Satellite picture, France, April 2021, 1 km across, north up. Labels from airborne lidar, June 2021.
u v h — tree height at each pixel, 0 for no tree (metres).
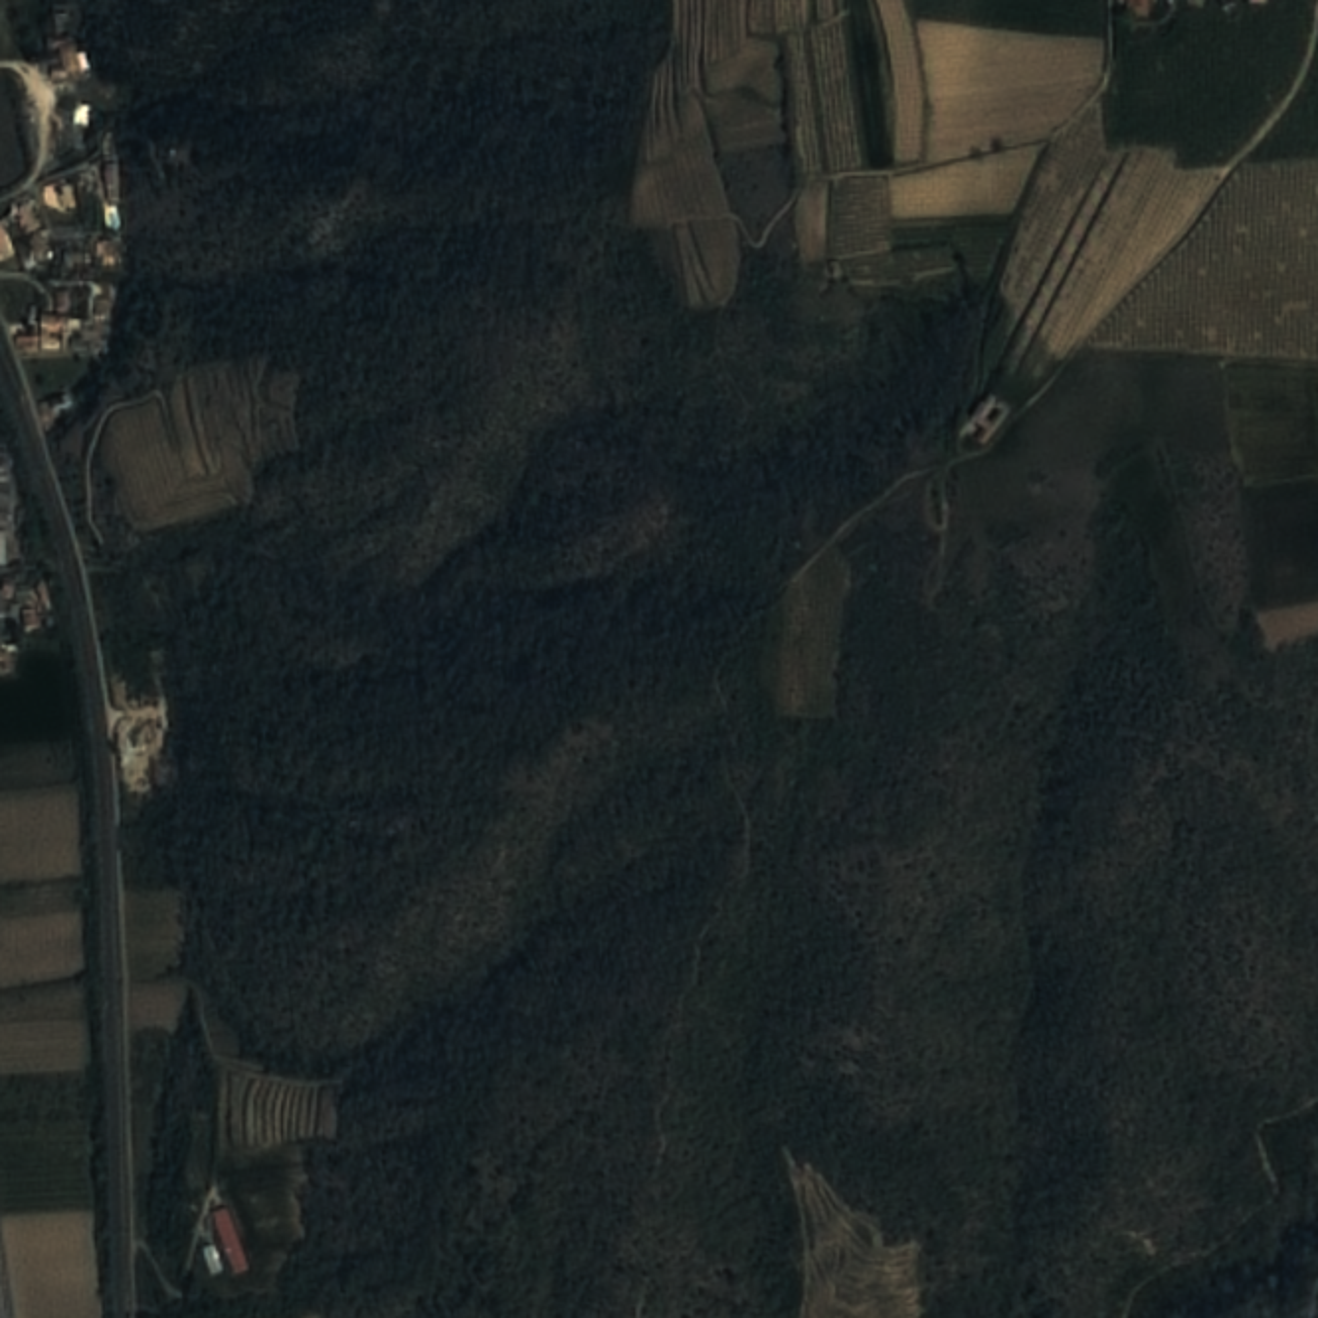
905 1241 7
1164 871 6
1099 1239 7
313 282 15
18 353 0
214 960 9
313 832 8
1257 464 0
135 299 8
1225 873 6
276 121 13
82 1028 0
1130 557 14
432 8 8
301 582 11
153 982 0
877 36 0
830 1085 6
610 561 7
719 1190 13
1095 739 8
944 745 7
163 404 0
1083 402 0
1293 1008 10
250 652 11
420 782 7
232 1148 0
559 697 10
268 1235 0
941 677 0
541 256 7
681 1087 9
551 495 6
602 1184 7
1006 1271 13
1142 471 0
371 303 6
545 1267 10
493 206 7
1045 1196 11
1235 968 7
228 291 8
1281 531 0
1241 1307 17
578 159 7
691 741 9
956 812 9
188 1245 0
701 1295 8
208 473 0
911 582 0
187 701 7
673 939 8
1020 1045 15
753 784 8
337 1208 9
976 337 7
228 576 10
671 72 0
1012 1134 11
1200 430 0
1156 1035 12
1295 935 11
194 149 6
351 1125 8
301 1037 6
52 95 0
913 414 9
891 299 7
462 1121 10
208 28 7
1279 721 8
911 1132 7
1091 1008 8
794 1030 10
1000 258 0
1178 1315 26
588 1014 7
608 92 17
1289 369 0
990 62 0
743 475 19
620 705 9
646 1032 6
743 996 6
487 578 13
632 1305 6
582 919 11
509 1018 13
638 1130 6
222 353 10
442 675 10
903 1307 0
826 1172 7
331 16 6
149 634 10
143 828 8
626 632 13
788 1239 8
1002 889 6
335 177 6
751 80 0
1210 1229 17
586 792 12
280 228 6
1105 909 6
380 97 18
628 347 6
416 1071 9
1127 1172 8
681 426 16
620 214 0
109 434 0
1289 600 0
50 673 0
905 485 0
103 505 0
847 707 10
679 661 11
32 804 0
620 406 12
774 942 8
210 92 10
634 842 6
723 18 0
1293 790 7
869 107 0
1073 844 9
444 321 9
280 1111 0
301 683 6
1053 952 11
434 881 6
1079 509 0
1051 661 12
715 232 0
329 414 6
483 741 10
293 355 7
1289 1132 12
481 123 8
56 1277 0
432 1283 11
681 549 7
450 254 8
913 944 9
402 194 8
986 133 0
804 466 11
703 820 12
